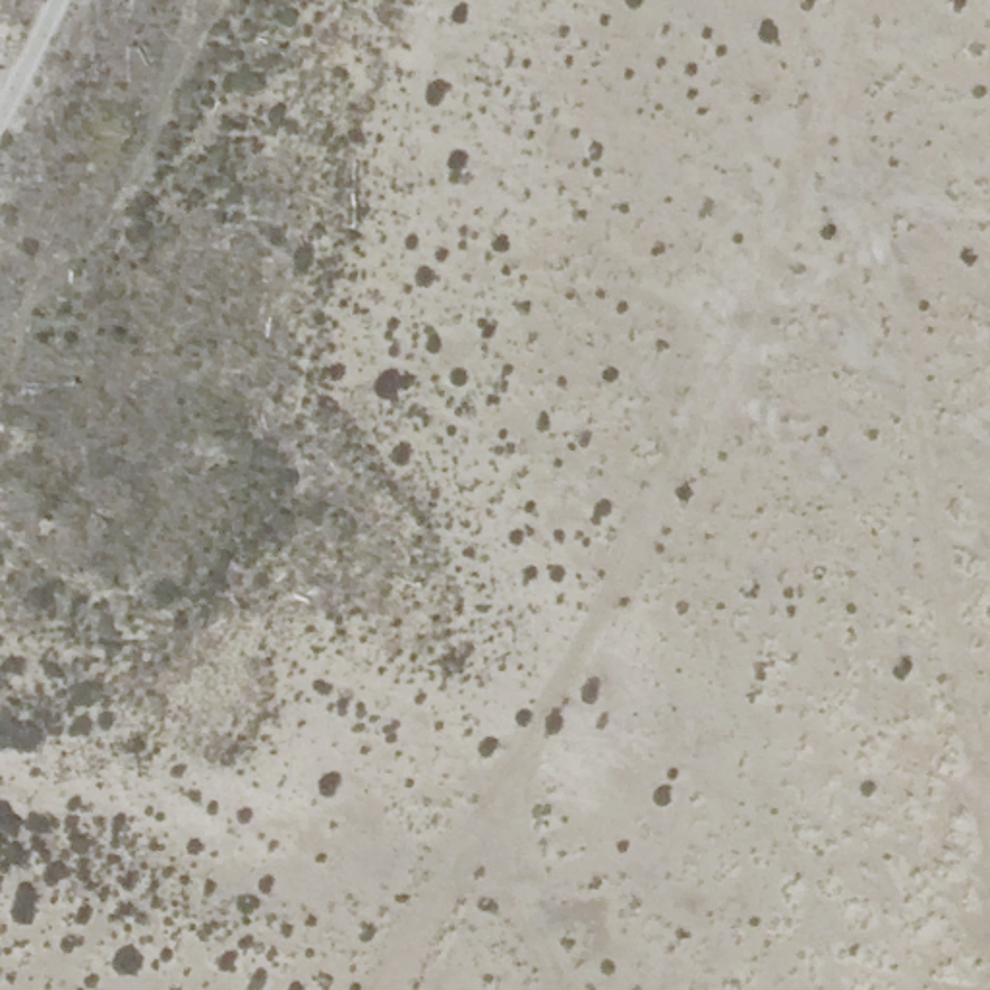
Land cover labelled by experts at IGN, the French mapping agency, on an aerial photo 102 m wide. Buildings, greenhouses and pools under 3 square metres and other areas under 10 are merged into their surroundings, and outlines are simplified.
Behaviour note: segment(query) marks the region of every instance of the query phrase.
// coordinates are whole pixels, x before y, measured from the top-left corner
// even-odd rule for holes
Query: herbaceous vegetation
[[[217,847],[209,839],[162,843],[151,831],[131,831],[124,812],[104,816],[97,804],[81,797],[66,801],[66,816],[15,816],[0,801],[0,959],[15,947],[27,947],[27,940],[12,940],[4,928],[15,920],[27,924],[35,917],[35,905],[54,901],[70,901],[81,924],[89,924],[89,917],[112,920],[108,940],[116,947],[120,975],[135,975],[139,967],[166,967],[182,947],[182,936],[189,932],[205,940],[205,951],[220,963],[220,971],[232,971],[244,951],[278,959],[278,947],[255,936],[240,936],[240,924],[251,924],[259,901],[267,901],[267,893],[275,889],[275,878],[263,874],[259,886],[251,886],[244,897],[224,882],[217,886]]]
[[[367,309],[356,298],[336,298],[333,286],[364,278],[364,220],[371,213],[371,197],[364,189],[364,178],[371,162],[356,151],[356,143],[364,143],[364,124],[375,112],[375,101],[383,97],[387,54],[394,46],[410,50],[410,35],[398,19],[410,12],[414,0],[73,0],[23,101],[23,128],[15,128],[12,135],[0,128],[0,754],[35,750],[50,735],[104,731],[112,727],[112,704],[151,708],[155,715],[166,715],[166,692],[174,684],[189,681],[201,665],[217,669],[220,661],[220,642],[209,630],[217,615],[248,611],[263,619],[263,626],[275,626],[271,603],[298,588],[321,588],[321,599],[309,599],[309,611],[333,623],[333,638],[348,638],[348,619],[360,619],[360,642],[387,642],[387,657],[379,661],[375,677],[391,673],[394,657],[410,657],[410,673],[425,673],[445,688],[472,661],[472,642],[452,646],[452,619],[464,611],[464,596],[456,588],[460,568],[449,561],[449,549],[441,545],[441,530],[452,530],[452,514],[437,510],[441,487],[429,487],[425,499],[418,499],[414,487],[402,487],[379,464],[379,449],[364,441],[364,429],[352,422],[344,406],[333,402],[333,383],[344,375],[344,367],[325,364],[325,356],[336,352],[336,321],[325,317],[325,302],[348,309],[352,317],[367,317]]]

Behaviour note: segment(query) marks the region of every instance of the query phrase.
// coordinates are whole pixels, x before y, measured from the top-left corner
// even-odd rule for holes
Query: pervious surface
[[[23,128],[23,101],[73,0],[43,0],[31,27],[8,27],[0,35],[0,128],[12,135],[15,128]]]

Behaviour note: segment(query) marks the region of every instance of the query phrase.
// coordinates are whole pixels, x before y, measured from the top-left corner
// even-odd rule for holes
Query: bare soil
[[[364,278],[333,286],[336,298],[356,298],[367,309],[367,317],[352,317],[348,309],[325,302],[325,317],[336,321],[336,352],[325,356],[325,364],[344,367],[344,375],[333,383],[333,402],[344,406],[352,422],[364,429],[364,441],[379,449],[379,464],[402,487],[414,487],[418,499],[425,499],[429,487],[441,487],[437,510],[452,514],[452,530],[441,530],[441,545],[449,549],[449,561],[460,568],[456,588],[464,596],[464,611],[452,619],[452,646],[472,642],[472,661],[445,688],[425,673],[410,673],[410,657],[394,657],[391,673],[375,677],[379,661],[387,657],[387,642],[360,642],[360,619],[348,619],[348,638],[333,638],[333,623],[309,611],[309,599],[321,599],[321,588],[298,588],[271,603],[275,626],[263,626],[263,619],[248,611],[217,615],[209,630],[220,642],[220,661],[217,669],[201,665],[189,681],[174,684],[166,692],[166,715],[155,715],[151,708],[112,704],[112,727],[104,731],[50,735],[35,750],[0,754],[0,801],[15,816],[66,816],[66,801],[81,797],[97,804],[104,816],[124,812],[131,831],[151,831],[162,843],[209,839],[217,847],[217,886],[224,882],[244,897],[251,886],[259,886],[263,874],[275,878],[275,889],[267,893],[267,901],[259,901],[251,924],[240,924],[240,936],[255,936],[278,947],[278,959],[244,951],[232,971],[220,971],[220,963],[205,951],[205,940],[189,932],[182,936],[182,947],[166,967],[139,967],[135,975],[120,975],[116,947],[108,940],[112,920],[89,917],[89,924],[81,924],[70,901],[54,901],[35,905],[35,917],[27,924],[15,920],[4,928],[12,940],[27,940],[27,947],[15,947],[0,959],[0,990],[990,990],[990,0],[414,0],[410,12],[398,19],[410,35],[410,50],[394,46],[387,54],[383,97],[375,101],[375,112],[364,124],[364,143],[356,143],[356,151],[371,162],[364,178],[364,189],[371,197],[371,213],[364,220]]]
[[[0,35],[8,27],[31,27],[43,0],[0,0]]]

